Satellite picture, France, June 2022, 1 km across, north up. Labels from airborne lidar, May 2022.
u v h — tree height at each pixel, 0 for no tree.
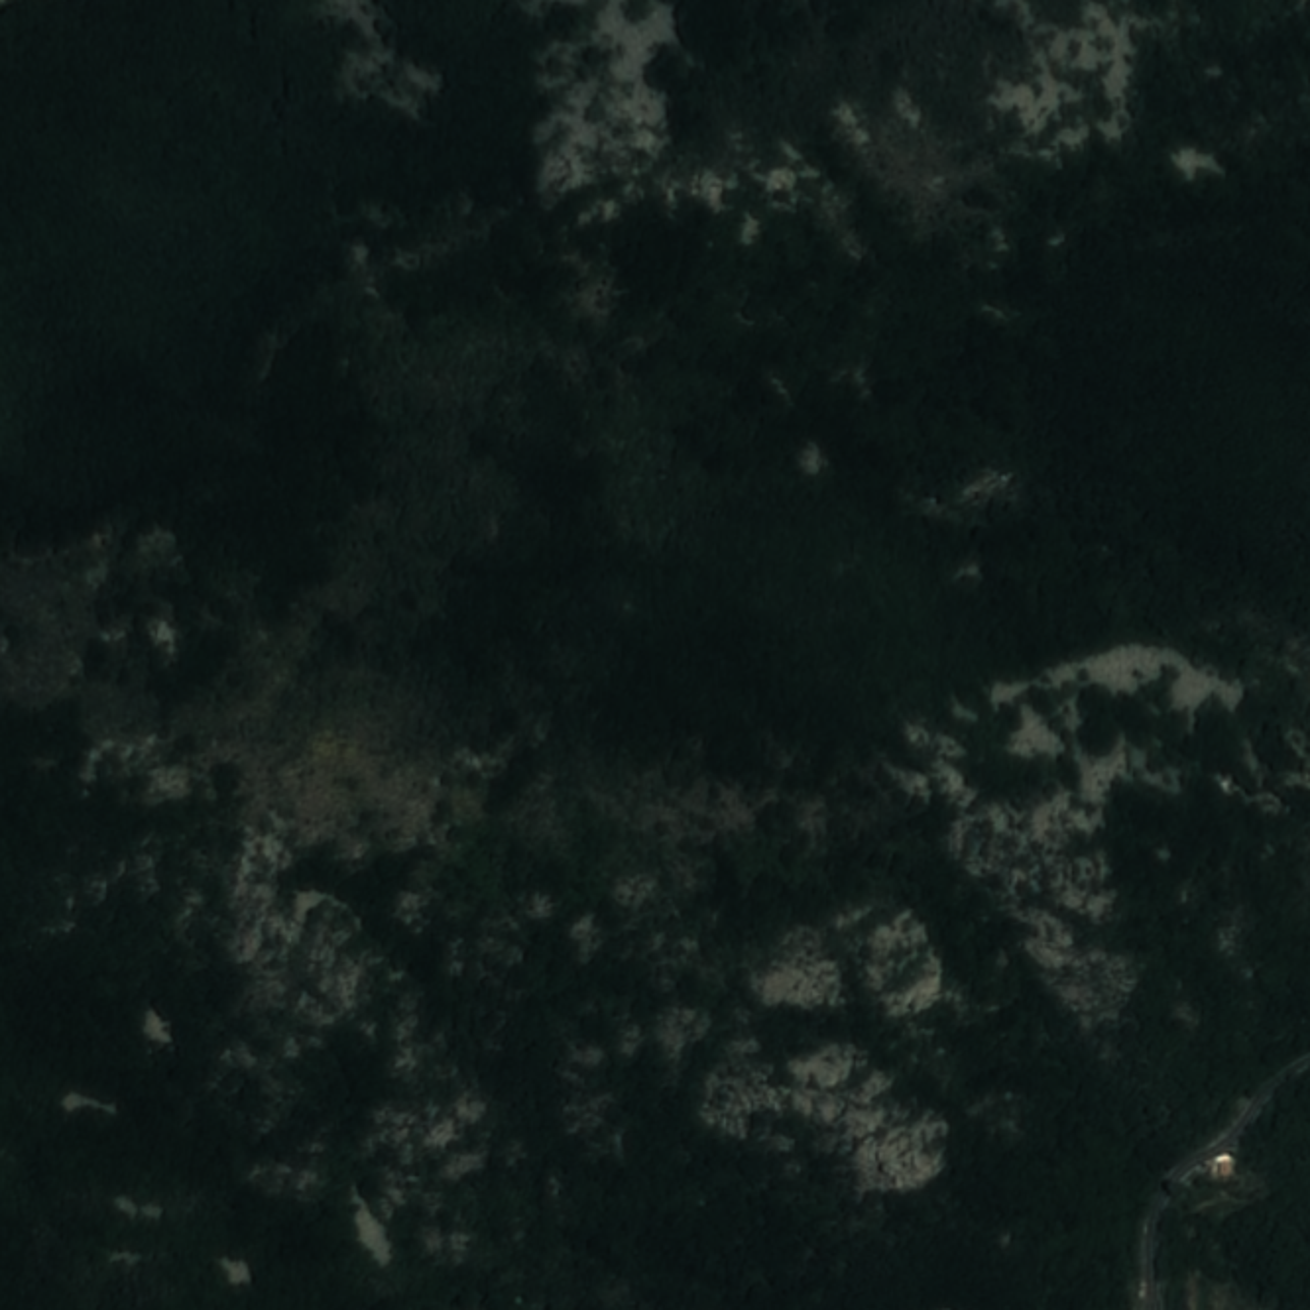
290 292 14
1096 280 16
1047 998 18
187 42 20
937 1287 14
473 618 14
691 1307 14
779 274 11
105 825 11
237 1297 22
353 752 0
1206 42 9
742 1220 19
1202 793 15
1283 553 20
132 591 6
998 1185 14
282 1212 21
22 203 19
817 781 9
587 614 12
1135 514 9
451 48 16
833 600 9
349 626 10
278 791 6
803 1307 15
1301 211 10
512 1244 5
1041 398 13
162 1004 20
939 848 8
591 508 8
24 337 15
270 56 19
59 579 0
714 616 16
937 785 9
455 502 8
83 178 19
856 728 11
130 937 18
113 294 18
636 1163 13
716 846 8
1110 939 7
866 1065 6
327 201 12
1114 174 12
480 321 9
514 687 6
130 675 8
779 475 10
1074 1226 15
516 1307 14
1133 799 13
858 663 13
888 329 8
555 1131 16
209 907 7
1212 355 17
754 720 7
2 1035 16
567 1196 11
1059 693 6
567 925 8
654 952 10
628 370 10
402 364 6
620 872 5
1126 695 7
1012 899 7
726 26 15
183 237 15
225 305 16
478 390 7
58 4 25
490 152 15
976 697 13
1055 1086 9
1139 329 19
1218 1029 14
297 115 13
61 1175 22
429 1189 11
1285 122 6
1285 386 18
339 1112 8
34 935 16
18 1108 15
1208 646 7
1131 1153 12
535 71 8
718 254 11
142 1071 22
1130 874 10
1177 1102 15
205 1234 17
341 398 11
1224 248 13
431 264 6
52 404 14
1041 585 14
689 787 6
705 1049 12
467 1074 9
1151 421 21
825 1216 10
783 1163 6
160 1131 27
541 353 5
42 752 11
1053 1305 9
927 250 10
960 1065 7
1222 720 16
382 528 6
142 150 19
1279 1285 15
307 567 14
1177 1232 6
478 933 9
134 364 18
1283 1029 12
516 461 11
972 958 6
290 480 13
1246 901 7
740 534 15
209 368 12
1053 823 0
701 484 9
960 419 12
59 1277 23
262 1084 8
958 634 15
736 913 12
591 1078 7
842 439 17
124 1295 18
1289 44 16
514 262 9
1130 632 9
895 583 10
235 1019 13
